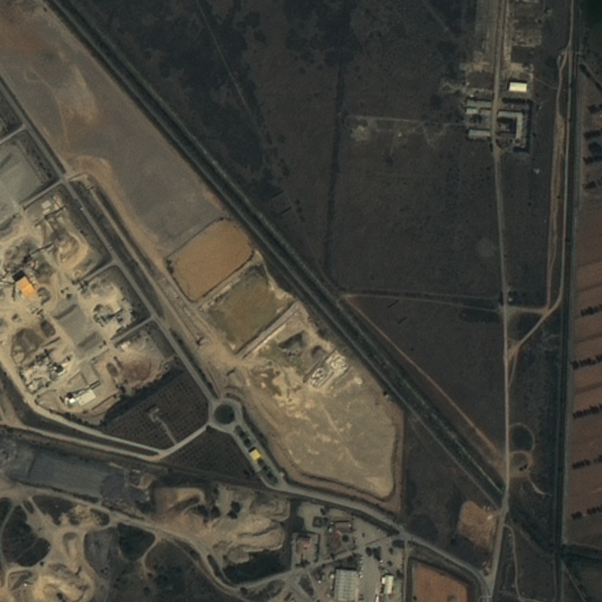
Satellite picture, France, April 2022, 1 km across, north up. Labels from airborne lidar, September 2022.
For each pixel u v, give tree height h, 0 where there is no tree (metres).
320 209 0
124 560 0
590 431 0
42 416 0
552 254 0
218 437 0
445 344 0
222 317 0
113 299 0
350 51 0
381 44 0
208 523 0
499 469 0
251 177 0
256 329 0
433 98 0
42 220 0
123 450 0
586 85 0
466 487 0
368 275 0
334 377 0
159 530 0
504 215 0
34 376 0
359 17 0
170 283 0
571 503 0
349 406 0
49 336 0
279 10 0
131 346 0
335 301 0
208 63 0
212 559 6
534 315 0
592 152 11
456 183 0
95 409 0
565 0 0
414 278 0
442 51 0
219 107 0
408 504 0
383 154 0
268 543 0
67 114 0
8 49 0
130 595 0
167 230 0
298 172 0
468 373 0
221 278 0
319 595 0
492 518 0
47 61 0
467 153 0
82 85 0
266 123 0
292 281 0
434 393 0
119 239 0
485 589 0
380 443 0
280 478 0
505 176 0
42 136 0
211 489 0
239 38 0
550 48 0
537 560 0
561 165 0
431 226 0
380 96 0
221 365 0
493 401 0
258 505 0
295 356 0
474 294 0
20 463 0
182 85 0
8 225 0
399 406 0
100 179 0
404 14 0
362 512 0
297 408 0
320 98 0
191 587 0
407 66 0
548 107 0
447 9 0
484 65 0
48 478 0
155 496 0
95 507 0
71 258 0
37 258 0
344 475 0
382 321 0
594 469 0
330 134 0
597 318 0
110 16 0
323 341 0
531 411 0
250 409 0
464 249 0
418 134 0
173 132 0
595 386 0
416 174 0
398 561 0
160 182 0
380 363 0
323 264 0
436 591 0
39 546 0
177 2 0
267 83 0
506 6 0
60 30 0
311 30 0
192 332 0
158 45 0
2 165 0
